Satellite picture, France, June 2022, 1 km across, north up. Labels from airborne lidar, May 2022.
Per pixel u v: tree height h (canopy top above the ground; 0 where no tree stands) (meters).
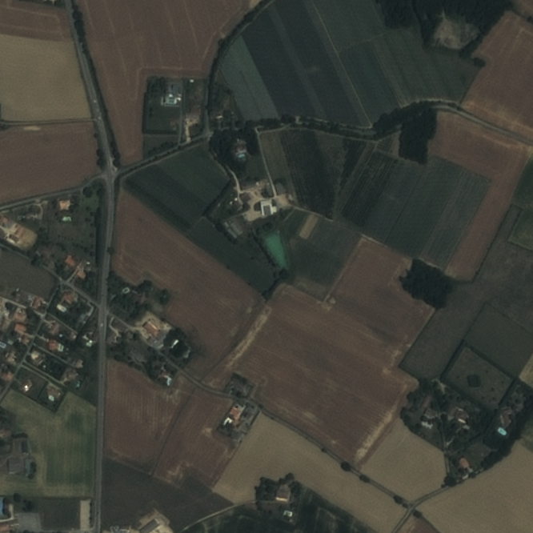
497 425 11
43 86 0
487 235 0
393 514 0
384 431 0
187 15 0
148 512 0
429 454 0
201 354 0
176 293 0
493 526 0
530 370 0
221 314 0
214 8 0
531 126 0
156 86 8
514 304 0
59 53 0
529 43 0
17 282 0
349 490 0
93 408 0
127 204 0
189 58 0
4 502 11
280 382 0
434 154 0
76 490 0
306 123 9
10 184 0
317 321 0
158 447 0
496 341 0
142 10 0
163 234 0
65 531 0
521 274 0
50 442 0
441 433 8
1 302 0
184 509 0
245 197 0
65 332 6
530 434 0
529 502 0
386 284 0
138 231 0
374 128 13
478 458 0
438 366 0
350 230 0
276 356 0
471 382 11
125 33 0
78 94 0
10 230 0
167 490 0
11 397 0
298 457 0
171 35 0
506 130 0
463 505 0
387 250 0
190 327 0
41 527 0
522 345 0
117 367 0
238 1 0
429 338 0
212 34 0
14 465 0
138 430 0
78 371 7
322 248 0
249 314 0
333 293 0
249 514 0
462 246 0
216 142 19
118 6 0
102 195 14
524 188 0
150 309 9
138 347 0
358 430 0
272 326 0
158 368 12
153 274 0
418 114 14
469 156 0
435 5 19
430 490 0
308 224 0
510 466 0
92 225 7
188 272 0
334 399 0
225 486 0
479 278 0
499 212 0
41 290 0
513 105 0
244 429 0
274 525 0
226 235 10
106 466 0
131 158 0
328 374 0
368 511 0
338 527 0
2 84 0
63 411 0
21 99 0
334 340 0
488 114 0
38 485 0
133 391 0
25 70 0
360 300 0
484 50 0
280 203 0
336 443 0
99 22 0
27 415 0
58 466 0
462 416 0
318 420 0
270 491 12
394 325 0
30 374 0
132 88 0
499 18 10
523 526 0
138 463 0
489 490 0
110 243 0
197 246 0
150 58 0
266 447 0
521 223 0
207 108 13
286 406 0
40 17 0
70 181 0
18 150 0
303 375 0
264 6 11
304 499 0
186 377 0
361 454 0
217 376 0
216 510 0
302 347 0
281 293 0
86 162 0
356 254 0
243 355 0
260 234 12
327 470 0
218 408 0
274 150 0
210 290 0
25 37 0
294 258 0
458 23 0
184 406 0
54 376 9
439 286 22
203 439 0
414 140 12
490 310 0
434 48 0
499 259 0
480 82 0
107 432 0
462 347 11
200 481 0
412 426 8
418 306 0
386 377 0
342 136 9
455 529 0
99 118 0
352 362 0
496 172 0
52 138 0
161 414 0
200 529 0
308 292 0
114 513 0
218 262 0
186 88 6
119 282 8
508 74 0
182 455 0
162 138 0
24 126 0
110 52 0
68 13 0
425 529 0
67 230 0
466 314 0
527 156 0
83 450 0
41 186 0
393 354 0
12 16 0
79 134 0
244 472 0
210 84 9
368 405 0
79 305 6
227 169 11
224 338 0
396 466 0
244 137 20
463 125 0
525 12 0
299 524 0
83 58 0
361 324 0
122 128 0
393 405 0
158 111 0
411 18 20
